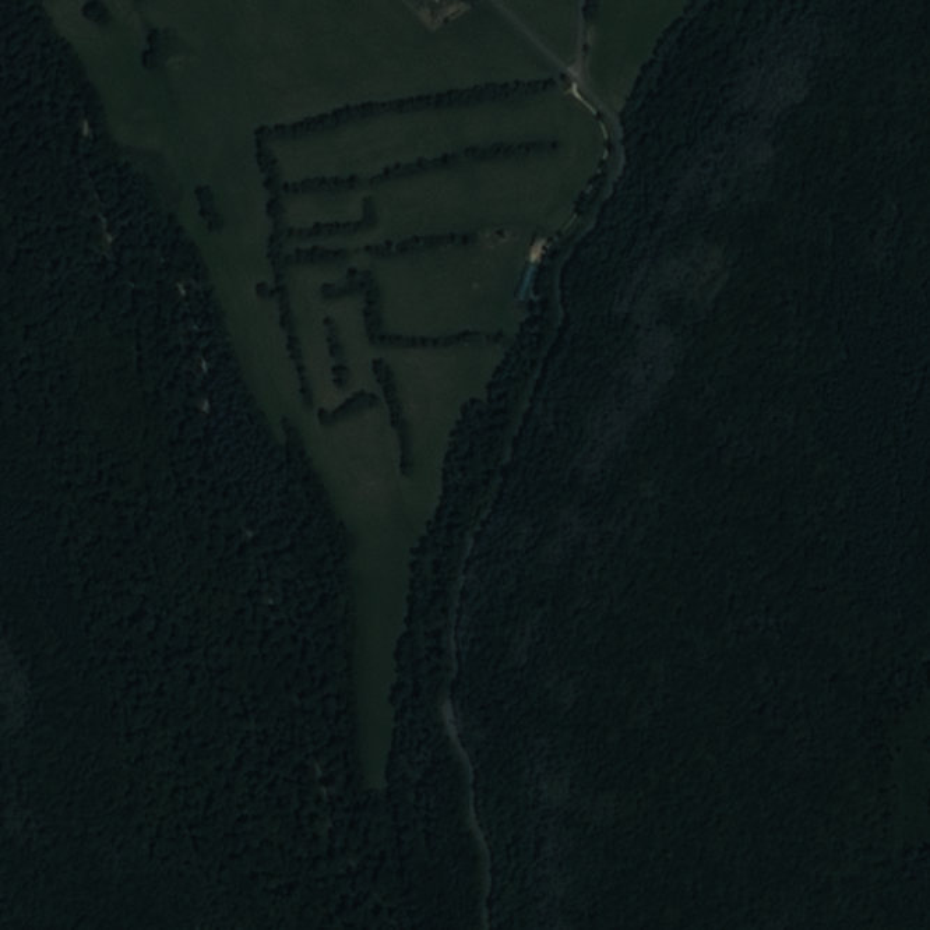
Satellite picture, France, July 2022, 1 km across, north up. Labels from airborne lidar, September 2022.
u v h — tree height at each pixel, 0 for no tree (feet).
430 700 50
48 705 44
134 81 0
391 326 0
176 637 83
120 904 45
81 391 62
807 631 58
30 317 52
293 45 0
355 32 0
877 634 71
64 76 64
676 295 28
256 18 0
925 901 66
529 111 0
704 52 65
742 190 26
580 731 58
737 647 73
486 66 0
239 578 77
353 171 0
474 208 0
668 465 46
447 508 53
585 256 46
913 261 37
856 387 75
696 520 50
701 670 64
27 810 45
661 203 24
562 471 43
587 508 34
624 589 25
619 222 44
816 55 20
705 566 66
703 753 65
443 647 62
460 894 49
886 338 67
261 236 0
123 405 53
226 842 75
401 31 0
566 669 35
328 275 0
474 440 57
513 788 49
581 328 60
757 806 59
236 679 82
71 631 61
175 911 51
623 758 61
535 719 50
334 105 0
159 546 69
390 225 0
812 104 46
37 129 37
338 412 22
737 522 53
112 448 57
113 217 62
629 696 49
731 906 68
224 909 77
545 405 18
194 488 76
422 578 74
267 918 80
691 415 47
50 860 40
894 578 68
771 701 49
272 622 81
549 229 0
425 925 69
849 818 59
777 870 40
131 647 82
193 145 0
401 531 0
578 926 40
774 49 22
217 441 108
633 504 41
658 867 56
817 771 52
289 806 92
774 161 26
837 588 66
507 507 42
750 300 59
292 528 74
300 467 65
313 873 86
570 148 0
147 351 78
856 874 45
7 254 85
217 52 0
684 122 42
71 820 52
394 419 35
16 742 37
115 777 60
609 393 27
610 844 38
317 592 93
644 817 34
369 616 0
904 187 60
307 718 86
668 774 44
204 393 72
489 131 0
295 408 0
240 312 0
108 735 65
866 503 65
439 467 0
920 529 54
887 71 47
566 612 38
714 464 60
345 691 32
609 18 0
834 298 65
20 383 73
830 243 59
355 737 55
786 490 64
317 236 36
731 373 46
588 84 0
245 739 70
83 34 0
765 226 60
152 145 0
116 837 41
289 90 0
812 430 58
